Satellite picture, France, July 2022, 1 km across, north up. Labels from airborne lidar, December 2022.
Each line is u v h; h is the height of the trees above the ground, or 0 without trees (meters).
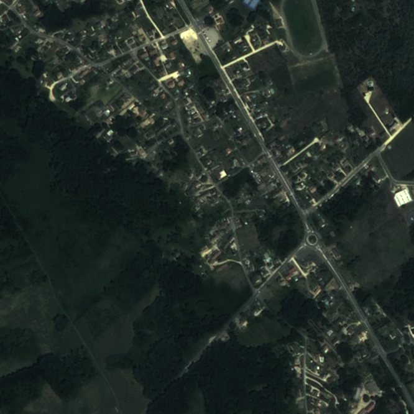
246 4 0
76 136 19
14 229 25
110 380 0
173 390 30
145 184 16
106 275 0
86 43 14
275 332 0
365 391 0
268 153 0
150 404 0
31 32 0
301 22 0
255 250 0
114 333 0
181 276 31
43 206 0
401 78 16
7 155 35
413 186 0
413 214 0
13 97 23
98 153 25
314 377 0
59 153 30
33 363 0
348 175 0
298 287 0
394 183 0
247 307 0
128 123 16
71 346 0
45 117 32
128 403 0
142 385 32
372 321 13
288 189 0
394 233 0
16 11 0
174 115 0
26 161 36
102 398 0
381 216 0
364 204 12
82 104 15
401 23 8
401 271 0
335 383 9
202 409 0
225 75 0
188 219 0
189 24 0
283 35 0
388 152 0
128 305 0
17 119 25
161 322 8
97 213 7
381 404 15
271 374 22
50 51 0
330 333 0
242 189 0
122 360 7
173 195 14
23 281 0
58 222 0
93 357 0
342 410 10
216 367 19
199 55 0
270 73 0
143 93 0
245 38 9
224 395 27
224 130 0
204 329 15
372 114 0
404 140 0
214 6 10
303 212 0
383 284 12
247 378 23
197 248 0
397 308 12
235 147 0
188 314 9
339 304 0
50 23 22
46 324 0
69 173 30
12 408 11
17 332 7
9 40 13
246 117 0
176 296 33
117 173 17
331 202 18
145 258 25
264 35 6
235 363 18
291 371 10
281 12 0
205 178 16
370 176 7
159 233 0
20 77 19
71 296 0
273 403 28
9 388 15
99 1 15
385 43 18
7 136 33
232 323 0
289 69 0
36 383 9
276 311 0
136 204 28
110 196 19
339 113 0
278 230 0
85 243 0
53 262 0
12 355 7
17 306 0
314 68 0
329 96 0
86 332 0
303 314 20
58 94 0
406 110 11
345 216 11
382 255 0
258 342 0
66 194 28
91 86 0
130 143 0
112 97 0
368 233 0
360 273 0
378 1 12
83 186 31
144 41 0
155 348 7
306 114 0
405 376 16
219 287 0
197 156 0
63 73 8
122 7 0
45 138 20
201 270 0
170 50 9
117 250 0
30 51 10
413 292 13
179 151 14
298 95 0
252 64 0
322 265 9
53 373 37
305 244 0
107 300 0
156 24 0
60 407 0
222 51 0
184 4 0
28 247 17
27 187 0
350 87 10
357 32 10
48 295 0
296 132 0
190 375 10
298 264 0
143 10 0
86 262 0
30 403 0
